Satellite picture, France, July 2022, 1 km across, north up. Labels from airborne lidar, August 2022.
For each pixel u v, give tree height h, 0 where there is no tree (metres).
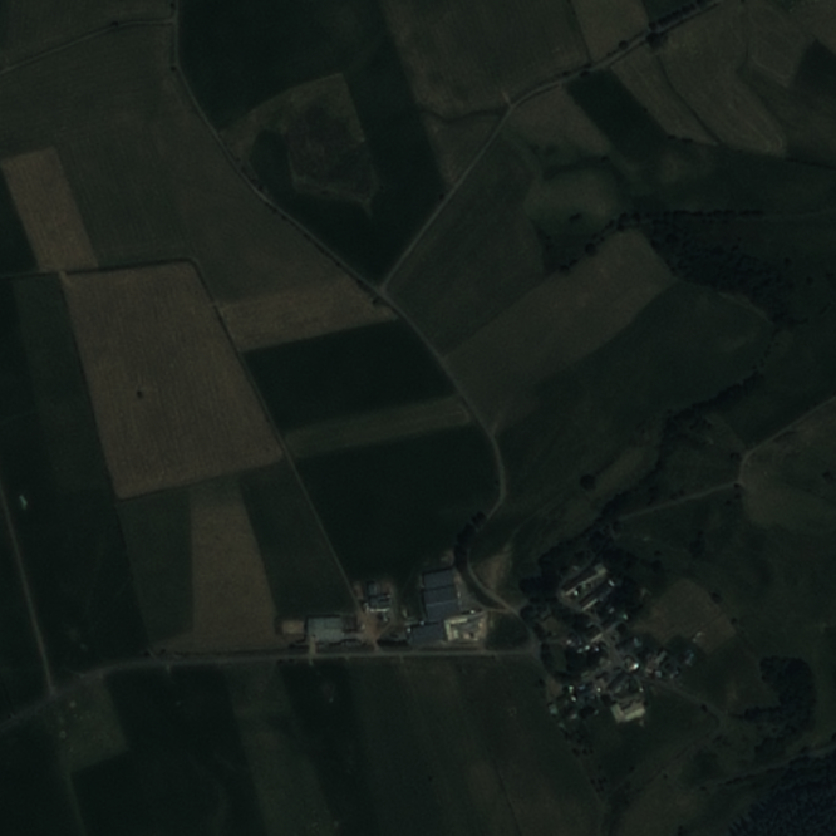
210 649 0
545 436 0
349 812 0
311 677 0
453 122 0
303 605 0
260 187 6
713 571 0
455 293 0
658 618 0
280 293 0
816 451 0
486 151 0
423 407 0
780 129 0
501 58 0
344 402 0
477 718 0
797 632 0
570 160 0
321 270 0
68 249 0
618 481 0
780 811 17
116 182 0
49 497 0
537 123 0
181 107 0
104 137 0
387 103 0
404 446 0
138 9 0
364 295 0
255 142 0
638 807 0
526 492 0
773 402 0
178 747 0
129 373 0
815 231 0
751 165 0
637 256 0
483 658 0
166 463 0
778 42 0
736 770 0
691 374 0
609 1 0
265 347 0
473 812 0
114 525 0
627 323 0
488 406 0
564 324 0
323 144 0
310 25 0
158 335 0
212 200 0
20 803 0
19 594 0
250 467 0
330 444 0
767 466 0
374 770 0
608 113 0
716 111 0
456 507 0
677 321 0
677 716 0
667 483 0
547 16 0
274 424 0
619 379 0
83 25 0
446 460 0
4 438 0
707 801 0
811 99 0
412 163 0
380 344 0
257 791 0
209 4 0
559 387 0
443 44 0
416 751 0
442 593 0
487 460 0
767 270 9
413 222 0
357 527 0
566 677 13
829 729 0
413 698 0
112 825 0
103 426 0
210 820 0
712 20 0
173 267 0
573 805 0
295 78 0
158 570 0
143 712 0
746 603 0
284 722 0
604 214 0
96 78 0
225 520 0
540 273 0
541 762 0
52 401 0
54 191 0
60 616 0
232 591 0
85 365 0
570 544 7
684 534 0
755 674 0
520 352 0
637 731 0
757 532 0
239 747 0
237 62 0
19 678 0
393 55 0
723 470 0
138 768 0
